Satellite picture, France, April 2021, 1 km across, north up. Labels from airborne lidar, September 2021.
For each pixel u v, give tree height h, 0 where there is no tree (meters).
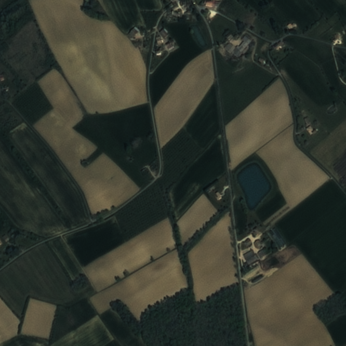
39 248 0
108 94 0
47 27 0
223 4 0
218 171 0
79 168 0
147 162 0
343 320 0
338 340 0
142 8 0
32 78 0
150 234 0
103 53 0
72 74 0
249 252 0
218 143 0
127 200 0
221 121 0
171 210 14
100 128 0
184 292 16
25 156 0
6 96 19
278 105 0
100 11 0
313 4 9
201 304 12
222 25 0
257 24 0
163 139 0
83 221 0
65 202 0
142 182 0
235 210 0
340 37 0
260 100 0
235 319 24
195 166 0
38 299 0
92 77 0
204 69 0
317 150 0
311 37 0
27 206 0
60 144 0
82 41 0
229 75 0
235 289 17
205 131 0
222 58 0
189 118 0
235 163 0
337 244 0
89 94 0
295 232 0
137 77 0
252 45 0
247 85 0
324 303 16
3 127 6
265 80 0
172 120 0
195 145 0
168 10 15
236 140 0
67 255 0
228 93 0
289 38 0
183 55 0
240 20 0
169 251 13
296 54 0
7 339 0
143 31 9
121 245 0
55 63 8
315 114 0
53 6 0
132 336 0
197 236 14
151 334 21
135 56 0
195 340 16
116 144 0
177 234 17
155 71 0
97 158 0
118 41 0
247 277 0
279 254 0
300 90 0
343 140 0
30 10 9
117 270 0
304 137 9
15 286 0
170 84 0
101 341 0
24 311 5
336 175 0
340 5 0
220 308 20
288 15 0
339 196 0
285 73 0
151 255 0
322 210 0
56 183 0
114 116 0
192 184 0
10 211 0
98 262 0
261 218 0
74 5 0
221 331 19
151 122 0
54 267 0
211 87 0
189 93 0
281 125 0
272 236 0
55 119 0
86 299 0
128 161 0
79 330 0
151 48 0
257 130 0
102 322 0
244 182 0
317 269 0
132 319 15
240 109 0
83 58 0
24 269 0
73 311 0
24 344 0
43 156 0
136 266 0
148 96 0
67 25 0
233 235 20
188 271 16
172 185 8
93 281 0
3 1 0
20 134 0
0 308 0
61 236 0
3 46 8
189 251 9
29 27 0
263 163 0
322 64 0
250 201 0
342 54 0
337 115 0
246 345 13
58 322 0
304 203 0
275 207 0
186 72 0
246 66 0
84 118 0
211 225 14
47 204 0
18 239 23
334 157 0
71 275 0
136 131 0
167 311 7
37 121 0
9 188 0
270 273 0
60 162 0
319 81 0
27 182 0
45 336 0
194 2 12
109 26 0
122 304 12
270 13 0
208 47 0
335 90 16
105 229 0
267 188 0
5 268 0
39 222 0
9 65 9
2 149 0
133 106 0
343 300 20
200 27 0
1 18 28
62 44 0
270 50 8
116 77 0
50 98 0
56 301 0
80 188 0
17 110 0
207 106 0
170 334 28
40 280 0
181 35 0
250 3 0
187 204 0
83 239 0
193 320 17
